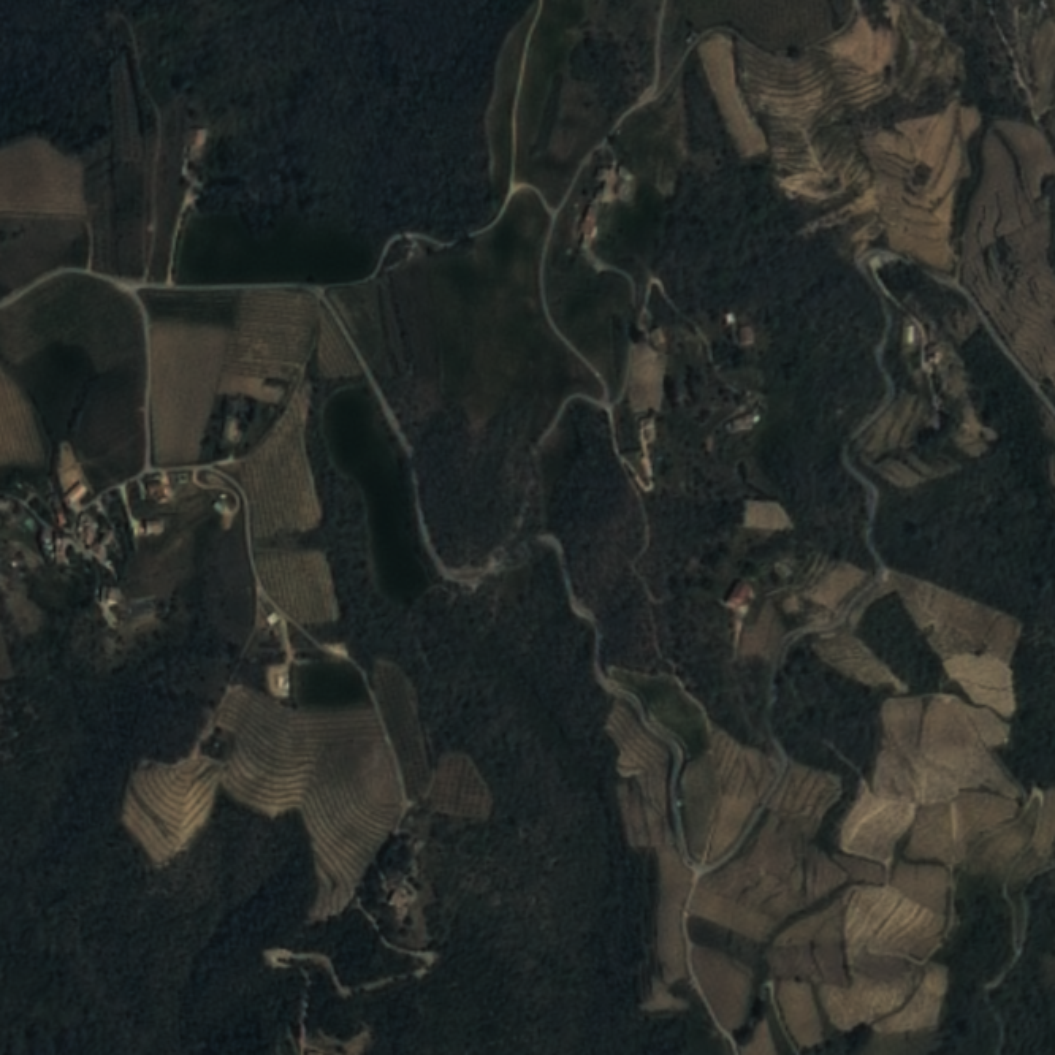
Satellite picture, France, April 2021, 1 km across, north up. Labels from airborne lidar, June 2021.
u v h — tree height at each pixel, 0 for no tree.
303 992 9
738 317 7
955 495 6
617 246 0
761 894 0
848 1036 6
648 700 0
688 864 0
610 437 7
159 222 0
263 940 7
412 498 11
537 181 0
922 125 0
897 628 11
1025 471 11
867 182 0
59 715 6
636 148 0
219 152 7
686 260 10
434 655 9
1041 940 8
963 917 7
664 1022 7
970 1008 18
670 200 6
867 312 8
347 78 12
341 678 0
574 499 14
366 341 0
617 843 18
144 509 0
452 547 7
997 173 0
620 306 0
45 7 9
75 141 12
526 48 0
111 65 7
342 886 0
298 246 0
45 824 17
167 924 7
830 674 7
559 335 0
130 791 0
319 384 13
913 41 0
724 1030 0
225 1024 10
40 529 11
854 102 0
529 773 9
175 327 0
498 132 0
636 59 5
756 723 16
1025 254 0
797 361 12
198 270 0
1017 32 0
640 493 7
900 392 7
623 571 11
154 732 13
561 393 0
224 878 8
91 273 0
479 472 6
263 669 7
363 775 0
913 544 6
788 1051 0
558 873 7
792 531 6
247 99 7
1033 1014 12
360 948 8
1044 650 9
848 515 7
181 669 8
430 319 0
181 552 0
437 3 20
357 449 0
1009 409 9
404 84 8
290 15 16
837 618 0
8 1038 7
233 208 12
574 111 0
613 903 27
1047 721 12
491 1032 8
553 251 0
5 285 0
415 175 14
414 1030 6
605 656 12
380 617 13
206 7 10
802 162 0
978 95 9
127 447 0
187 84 9
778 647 0
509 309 0
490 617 6
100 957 21
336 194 7
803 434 12
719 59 0
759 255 15
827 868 0
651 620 9
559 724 24
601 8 0
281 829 9
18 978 7
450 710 15
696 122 10
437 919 6
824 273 10
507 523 7
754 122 0
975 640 0
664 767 0
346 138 17
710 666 13
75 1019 26
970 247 0
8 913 9
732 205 24
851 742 14
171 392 0
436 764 10
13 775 8
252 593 0
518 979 7
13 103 8
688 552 14
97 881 10
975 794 0
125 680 16
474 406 0
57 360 0
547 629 17
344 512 15
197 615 7
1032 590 14
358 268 0
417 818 5
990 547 9
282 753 0
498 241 0
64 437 0
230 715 0
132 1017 14
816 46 0
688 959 0
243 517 0
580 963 12
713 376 10
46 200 0
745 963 0
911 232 0
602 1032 7
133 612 0
